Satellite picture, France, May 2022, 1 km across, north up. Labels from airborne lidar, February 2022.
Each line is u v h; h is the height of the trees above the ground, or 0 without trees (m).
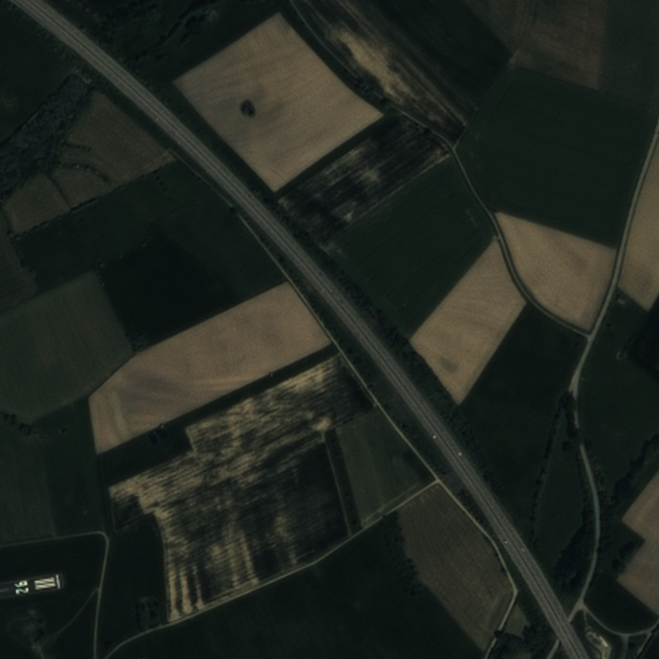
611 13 0
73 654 0
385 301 0
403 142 0
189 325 0
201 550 0
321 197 0
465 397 0
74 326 0
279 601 0
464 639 0
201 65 0
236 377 0
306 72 0
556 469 0
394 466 0
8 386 0
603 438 0
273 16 0
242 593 0
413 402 0
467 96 0
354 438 0
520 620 0
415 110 0
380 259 0
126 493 0
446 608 0
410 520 0
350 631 0
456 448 0
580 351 0
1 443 0
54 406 0
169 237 0
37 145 19
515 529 0
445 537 0
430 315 0
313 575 0
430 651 0
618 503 16
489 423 0
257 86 0
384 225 0
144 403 0
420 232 0
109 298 0
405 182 0
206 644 0
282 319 0
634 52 0
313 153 0
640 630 0
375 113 0
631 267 0
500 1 0
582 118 0
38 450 0
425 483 0
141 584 0
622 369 0
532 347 0
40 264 0
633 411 0
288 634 0
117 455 0
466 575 0
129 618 0
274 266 0
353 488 0
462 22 0
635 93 0
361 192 0
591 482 0
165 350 0
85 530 0
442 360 0
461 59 0
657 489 0
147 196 0
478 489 0
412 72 0
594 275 0
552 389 0
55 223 0
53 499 0
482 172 0
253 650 0
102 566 0
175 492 0
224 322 0
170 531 0
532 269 0
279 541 0
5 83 0
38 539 0
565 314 0
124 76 0
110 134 0
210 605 0
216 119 0
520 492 0
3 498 0
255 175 0
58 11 0
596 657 0
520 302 0
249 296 0
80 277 0
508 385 0
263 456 0
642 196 0
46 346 0
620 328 0
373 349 0
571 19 0
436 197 0
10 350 0
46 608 0
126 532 0
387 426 0
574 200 0
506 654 21
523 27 0
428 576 0
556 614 0
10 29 0
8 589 0
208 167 0
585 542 24
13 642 0
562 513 0
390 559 0
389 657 0
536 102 0
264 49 0
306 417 0
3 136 0
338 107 0
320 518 0
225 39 0
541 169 0
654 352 0
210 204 0
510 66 0
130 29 0
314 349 0
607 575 0
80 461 0
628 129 0
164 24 0
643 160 0
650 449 17
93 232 0
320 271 0
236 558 0
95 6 0
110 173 0
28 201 0
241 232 0
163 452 0
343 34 0
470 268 0
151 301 0
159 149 0
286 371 0
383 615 0
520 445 0
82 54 0
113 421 0
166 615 0
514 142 0
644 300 0
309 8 0
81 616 0
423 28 0
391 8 0
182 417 0
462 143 0
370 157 0
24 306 0
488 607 0
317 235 0
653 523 0
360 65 0
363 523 0
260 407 0
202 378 0
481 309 0
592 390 0
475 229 0
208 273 0
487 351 0
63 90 14
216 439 0
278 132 0
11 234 6
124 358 0
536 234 0
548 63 0
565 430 0
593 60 0
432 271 0
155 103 0
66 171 0
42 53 0
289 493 0
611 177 0
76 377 0
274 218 0
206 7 16
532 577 0
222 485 0
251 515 0
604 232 0
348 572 0
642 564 0
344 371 0
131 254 0
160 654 0
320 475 0
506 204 0
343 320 0
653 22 0
